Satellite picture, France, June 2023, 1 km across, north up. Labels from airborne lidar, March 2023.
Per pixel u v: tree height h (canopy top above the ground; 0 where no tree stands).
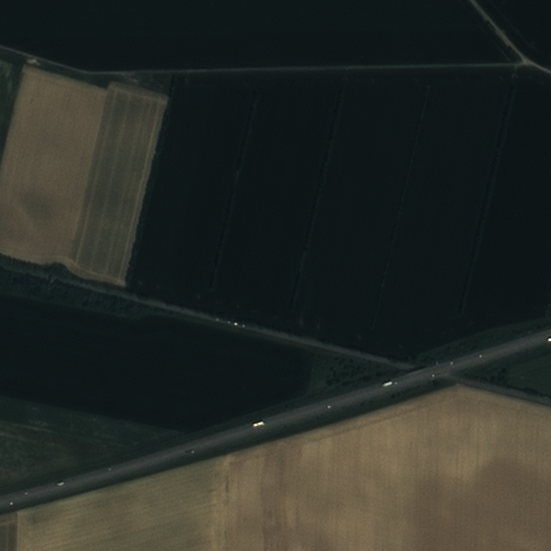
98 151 0
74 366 0
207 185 0
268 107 0
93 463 0
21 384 0
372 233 0
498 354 0
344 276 0
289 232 0
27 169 0
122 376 0
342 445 0
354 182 0
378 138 0
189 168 0
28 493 0
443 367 0
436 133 0
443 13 0
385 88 0
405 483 0
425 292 0
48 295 10
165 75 0
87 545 0
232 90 0
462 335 0
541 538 0
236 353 0
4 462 0
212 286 12
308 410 0
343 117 0
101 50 0
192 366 0
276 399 0
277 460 0
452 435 0
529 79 0
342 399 0
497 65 0
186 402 0
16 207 0
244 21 0
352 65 0
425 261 0
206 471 0
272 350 0
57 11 0
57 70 0
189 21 0
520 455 0
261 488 0
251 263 0
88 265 0
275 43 0
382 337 0
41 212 0
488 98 0
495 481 0
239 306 0
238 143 0
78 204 0
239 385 0
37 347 0
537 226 0
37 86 0
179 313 0
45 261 0
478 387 0
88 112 0
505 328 0
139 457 0
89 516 0
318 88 0
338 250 0
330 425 0
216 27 0
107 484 0
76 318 0
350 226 0
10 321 0
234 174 0
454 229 0
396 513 0
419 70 0
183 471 0
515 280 0
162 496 0
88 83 0
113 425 0
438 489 0
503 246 0
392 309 0
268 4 0
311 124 0
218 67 0
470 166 0
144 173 0
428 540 0
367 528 0
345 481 0
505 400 0
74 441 0
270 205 0
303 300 0
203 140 0
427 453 0
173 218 0
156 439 0
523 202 0
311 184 0
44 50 0
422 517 0
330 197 0
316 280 0
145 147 0
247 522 0
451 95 0
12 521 0
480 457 0
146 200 11
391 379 0
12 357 0
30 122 0
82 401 0
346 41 0
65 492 0
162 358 0
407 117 0
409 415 0
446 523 0
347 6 0
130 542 0
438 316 0
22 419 0
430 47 0
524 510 0
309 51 0
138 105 0
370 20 0
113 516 0
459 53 0
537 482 0
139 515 0
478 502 0
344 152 0
